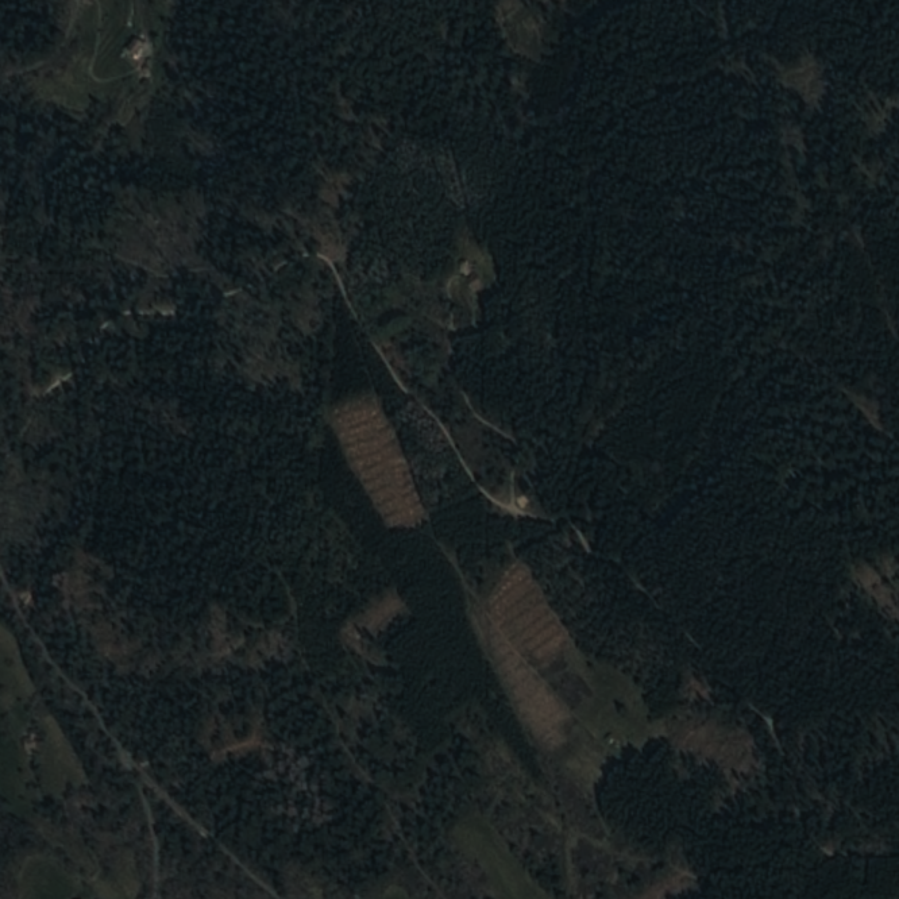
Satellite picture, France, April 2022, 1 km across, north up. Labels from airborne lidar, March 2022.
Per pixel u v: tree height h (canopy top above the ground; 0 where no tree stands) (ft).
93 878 0
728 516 80
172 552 83
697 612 80
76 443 67
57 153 62
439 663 52
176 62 73
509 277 97
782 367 28
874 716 94
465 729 0
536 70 23
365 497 36
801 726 85
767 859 88
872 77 100
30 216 51
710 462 40
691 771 72
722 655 73
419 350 70
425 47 104
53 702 35
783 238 78
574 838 0
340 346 43
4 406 60
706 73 100
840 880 52
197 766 80
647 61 104
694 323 82
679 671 57
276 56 58
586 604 50
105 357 73
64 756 0
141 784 62
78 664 59
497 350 78
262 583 57
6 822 66
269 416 76
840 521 101
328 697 58
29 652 61
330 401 87
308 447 67
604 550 59
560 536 59
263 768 80
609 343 60
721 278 67
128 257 0
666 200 87
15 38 123
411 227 70
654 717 22
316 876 47
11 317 55
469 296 0
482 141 78
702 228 62
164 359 51
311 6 78
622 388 40
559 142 61
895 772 69
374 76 103
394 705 37
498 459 25
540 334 64
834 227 50
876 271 41
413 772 39
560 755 0
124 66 0
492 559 61
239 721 71
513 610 59
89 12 0
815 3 92
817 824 90
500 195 86
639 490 21
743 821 81
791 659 77
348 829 50
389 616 0
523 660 0
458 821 47
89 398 81
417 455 50
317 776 72
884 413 45
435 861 37
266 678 21
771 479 92
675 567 85
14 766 0
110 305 63
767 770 69
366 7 31
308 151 61
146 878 58
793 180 61
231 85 91
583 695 0
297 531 65
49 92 0
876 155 32
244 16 66
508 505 0
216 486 62
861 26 36
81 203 110
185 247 0
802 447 94
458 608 47
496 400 98
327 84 72
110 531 61
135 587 33
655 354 72
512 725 47
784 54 104
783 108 100
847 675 77
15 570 24
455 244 83
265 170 87
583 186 94
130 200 25
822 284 54
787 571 83
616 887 0
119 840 53
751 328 78
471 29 94
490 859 0
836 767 57
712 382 49
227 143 83
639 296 50
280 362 69
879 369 70
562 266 103
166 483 23
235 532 75
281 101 38
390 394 54
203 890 47
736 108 94
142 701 78
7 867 45
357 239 51
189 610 78
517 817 0
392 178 76
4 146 64
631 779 84
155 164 31
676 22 96
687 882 0
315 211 69
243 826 77
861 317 31
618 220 85
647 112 97
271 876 55
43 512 0
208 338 71
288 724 96
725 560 75
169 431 82
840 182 75
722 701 74
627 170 112
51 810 66
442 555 36
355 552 22
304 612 21
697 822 82
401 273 67
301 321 0
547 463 95
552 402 68
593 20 20
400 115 43
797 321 43
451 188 74
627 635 48
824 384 73
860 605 89
